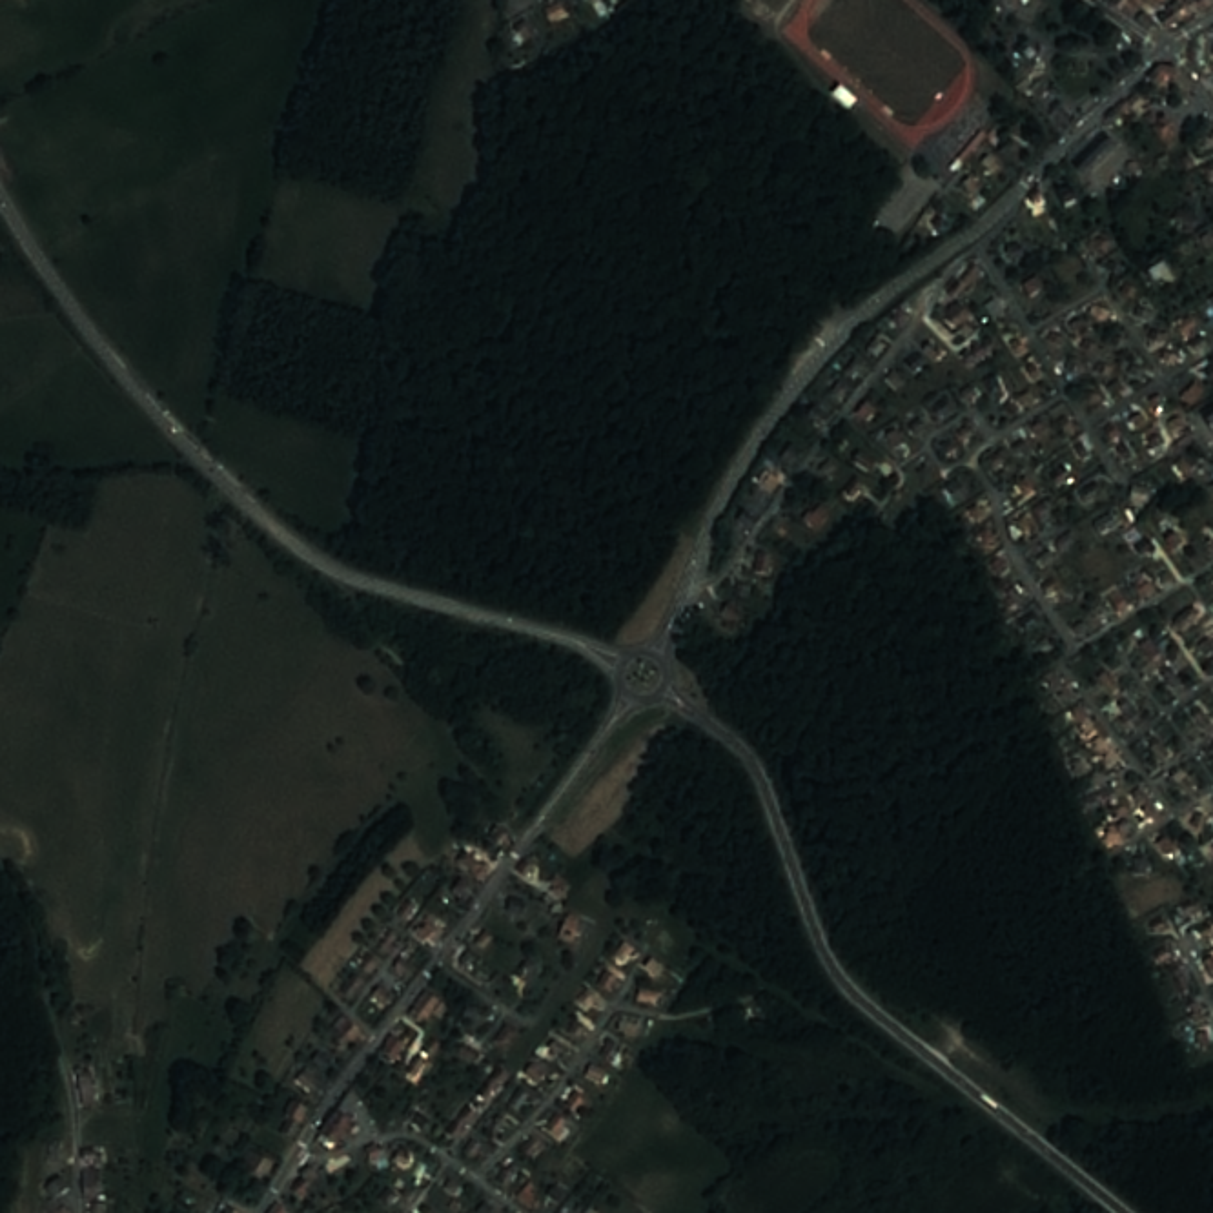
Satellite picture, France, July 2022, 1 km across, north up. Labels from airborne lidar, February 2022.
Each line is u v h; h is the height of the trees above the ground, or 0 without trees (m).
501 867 0
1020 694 8
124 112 0
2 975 13
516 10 0
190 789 0
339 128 22
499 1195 0
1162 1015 8
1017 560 0
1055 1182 8
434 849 0
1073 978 17
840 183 29
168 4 0
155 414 0
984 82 0
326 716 0
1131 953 13
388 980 0
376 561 9
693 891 16
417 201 0
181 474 12
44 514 5
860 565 24
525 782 0
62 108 0
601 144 25
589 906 0
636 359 22
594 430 23
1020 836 13
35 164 0
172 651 0
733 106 25
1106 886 8
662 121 23
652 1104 0
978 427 0
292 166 19
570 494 22
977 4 23
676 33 28
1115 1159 22
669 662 0
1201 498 15
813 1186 0
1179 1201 10
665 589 0
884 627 25
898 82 0
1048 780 15
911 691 23
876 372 0
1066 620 0
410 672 9
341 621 10
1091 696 0
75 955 0
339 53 23
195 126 0
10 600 0
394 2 16
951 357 0
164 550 0
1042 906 14
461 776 7
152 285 0
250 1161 0
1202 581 7
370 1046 0
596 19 0
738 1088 10
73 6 0
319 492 0
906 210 0
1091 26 20
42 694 0
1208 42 0
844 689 25
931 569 21
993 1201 0
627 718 0
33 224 0
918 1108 19
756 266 20
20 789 0
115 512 0
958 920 16
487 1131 5
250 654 0
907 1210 7
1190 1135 10
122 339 0
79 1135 0
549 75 21
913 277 0
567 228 19
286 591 0
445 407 25
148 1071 0
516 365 26
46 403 0
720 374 25
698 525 0
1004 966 15
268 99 0
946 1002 9
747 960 11
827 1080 0
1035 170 0
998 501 0
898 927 16
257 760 0
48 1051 14
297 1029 0
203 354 0
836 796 27
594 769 0
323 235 0
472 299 28
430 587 6
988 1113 0
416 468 19
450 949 0
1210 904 0
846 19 0
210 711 0
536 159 23
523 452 23
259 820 0
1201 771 0
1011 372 0
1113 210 11
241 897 0
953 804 25
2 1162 34
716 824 19
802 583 22
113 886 0
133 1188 0
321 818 0
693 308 24
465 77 0
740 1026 17
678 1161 0
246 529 6
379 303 16
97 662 0
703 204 24
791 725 28
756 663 28
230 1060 7
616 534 25
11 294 0
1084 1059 9
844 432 9
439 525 25
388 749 0
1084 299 0
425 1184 0
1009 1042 7
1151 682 0
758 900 15
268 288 15
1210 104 0
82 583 0
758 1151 8
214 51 0
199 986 0
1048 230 0
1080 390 10
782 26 0
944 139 0
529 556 23
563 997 0
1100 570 0
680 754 20
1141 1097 8
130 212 0
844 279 21
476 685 9
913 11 0
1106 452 0
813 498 7
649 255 21
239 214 0
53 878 0
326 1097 0
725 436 21
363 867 9
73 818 0
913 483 0
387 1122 0
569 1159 0
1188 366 0
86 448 0
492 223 20
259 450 0
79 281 0
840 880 25
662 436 23
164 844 0
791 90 24
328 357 18
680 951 0
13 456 0
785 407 0
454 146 0
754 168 18
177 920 0
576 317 22
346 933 0
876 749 24
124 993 0
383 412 24
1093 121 0
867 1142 11
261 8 0
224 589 0
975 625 24
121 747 0
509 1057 0
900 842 30
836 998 12
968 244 0
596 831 0
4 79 0
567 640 0
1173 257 6
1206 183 6
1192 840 14
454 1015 6
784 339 18
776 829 0
